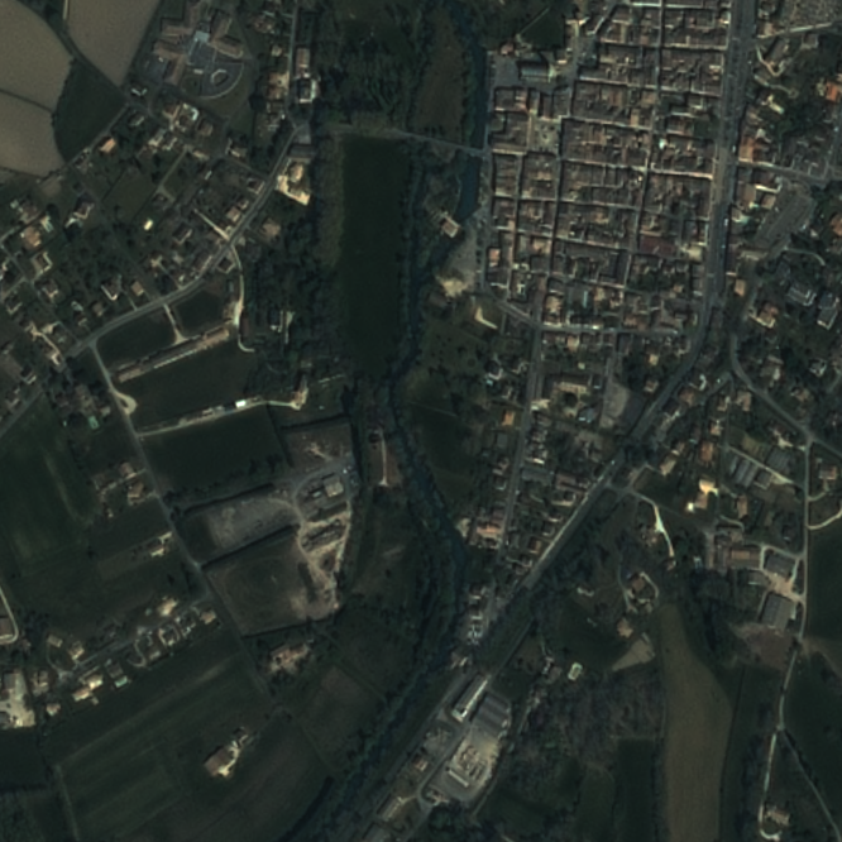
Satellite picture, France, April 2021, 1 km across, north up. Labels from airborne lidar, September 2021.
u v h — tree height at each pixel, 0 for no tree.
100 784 0
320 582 0
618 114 0
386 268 0
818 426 13
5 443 0
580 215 0
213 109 0
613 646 0
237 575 0
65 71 0
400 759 0
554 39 0
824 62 0
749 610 7
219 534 0
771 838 0
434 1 10
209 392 0
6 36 0
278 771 0
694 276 0
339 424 10
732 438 0
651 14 0
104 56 0
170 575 0
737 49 10
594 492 0
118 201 0
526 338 9
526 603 16
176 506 13
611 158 0
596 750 15
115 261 9
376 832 0
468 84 11
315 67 14
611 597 0
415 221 13
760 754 22
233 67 0
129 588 0
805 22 0
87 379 13
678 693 0
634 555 19
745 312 0
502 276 0
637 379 10
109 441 0
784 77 6
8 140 0
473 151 0
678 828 0
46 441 0
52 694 10
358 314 0
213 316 0
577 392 7
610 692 13
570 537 0
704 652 0
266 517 0
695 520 0
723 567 0
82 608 0
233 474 0
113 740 0
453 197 8
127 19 0
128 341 0
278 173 0
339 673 0
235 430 0
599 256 0
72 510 0
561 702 8
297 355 15
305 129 0
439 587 17
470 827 30
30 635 11
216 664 0
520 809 0
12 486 0
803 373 12
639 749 0
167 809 0
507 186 0
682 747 0
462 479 0
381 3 0
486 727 0
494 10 12
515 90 0
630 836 0
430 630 15
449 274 15
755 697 0
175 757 0
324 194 37
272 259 8
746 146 0
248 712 0
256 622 0
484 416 20
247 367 0
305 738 0
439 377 11
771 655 0
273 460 0
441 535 14
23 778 0
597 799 0
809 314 8
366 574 0
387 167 0
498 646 13
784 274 0
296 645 13
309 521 0
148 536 0
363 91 16
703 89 0
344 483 0
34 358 7
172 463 0
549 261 0
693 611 17
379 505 17
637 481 0
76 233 11
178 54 0
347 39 0
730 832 0
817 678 0
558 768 15
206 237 12
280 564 0
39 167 0
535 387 0
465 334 13
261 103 13
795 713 0
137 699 0
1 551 0
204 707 0
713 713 0
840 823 11
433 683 20
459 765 0
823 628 0
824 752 0
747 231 6
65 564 0
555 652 15
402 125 13
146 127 8
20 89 0
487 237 15
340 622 11
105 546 0
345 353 8
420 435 29
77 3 0
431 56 18
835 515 0
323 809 17
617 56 0
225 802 0
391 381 12
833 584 0
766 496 0
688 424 8
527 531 7
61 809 10
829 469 0
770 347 12
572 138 0
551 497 11
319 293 20
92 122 0
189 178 10
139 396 0
